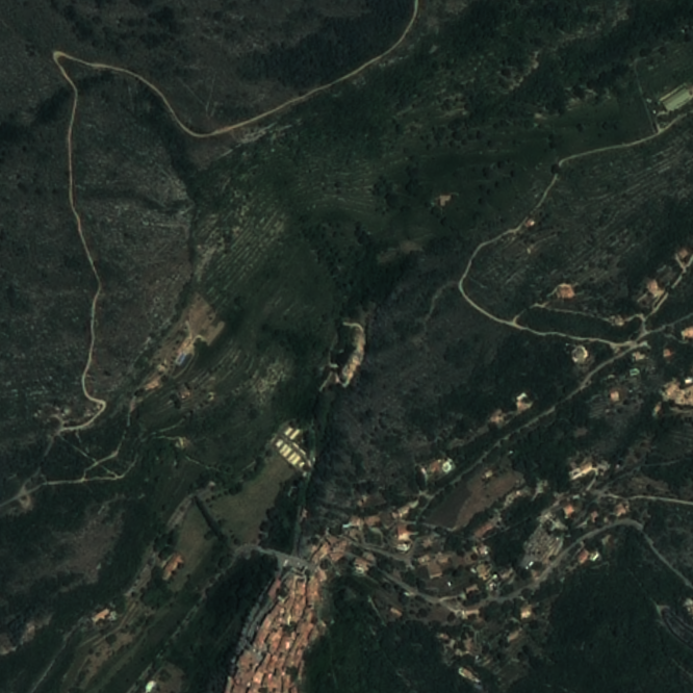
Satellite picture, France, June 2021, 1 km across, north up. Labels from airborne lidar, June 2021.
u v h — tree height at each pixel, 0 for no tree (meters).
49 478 6
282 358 0
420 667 6
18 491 0
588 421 8
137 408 10
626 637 10
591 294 6
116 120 0
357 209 0
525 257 0
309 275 0
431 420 6
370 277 12
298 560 0
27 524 6
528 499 9
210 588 10
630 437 6
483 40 9
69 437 6
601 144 0
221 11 7
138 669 0
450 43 14
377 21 8
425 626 8
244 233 0
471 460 7
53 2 7
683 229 7
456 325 0
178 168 8
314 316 0
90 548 0
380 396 0
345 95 12
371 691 10
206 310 0
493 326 0
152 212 0
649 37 10
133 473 6
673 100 0
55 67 0
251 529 0
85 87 7
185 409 0
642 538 6
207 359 0
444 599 0
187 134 0
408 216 0
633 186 0
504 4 11
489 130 0
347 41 8
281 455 0
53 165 0
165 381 9
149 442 7
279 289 0
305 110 8
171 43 7
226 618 7
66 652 10
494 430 10
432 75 12
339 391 6
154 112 6
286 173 0
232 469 7
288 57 8
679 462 7
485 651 6
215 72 0
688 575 6
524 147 0
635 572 7
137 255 0
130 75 0
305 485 15
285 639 0
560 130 0
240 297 7
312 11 6
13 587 0
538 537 0
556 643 9
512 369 6
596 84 11
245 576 12
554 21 6
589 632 13
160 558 10
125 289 0
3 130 14
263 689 12
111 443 6
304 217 8
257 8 0
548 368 6
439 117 0
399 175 0
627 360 7
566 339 7
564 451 9
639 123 0
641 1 8
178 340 5
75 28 8
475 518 7
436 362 0
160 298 0
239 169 6
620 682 9
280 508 11
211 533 8
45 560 0
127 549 10
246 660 0
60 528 6
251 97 0
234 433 0
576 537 7
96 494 7
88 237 0
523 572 11
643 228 6
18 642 8
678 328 6
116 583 7
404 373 0
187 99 0
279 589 8
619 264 6
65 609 8
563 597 7
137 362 7
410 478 6
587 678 7
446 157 0
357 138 6
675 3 11
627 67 9
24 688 10
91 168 0
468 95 9
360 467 7
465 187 0
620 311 6
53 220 0
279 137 6
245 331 0
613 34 11
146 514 14
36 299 0
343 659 10
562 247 0
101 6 6
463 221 0
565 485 6
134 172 0
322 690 14
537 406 9
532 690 10
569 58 9
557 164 7
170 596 12
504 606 7
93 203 0
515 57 8
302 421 16
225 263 0
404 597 11
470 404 7
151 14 8
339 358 15
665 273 0
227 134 0
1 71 0
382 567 9
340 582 6
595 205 0
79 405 0
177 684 0
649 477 9
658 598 6
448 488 8
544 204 8
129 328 0
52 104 6
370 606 7
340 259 11
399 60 9
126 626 6
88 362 0
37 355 0
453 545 9
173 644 11
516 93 10
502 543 7
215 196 6
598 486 6
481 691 9
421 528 7
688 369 6
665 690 8
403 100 12
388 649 9
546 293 6
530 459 13
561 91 5
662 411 8
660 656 9
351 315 10
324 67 9
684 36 11
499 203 0
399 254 7
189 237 0
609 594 8
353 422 0
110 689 0
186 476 0
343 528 6
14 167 0
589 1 9
